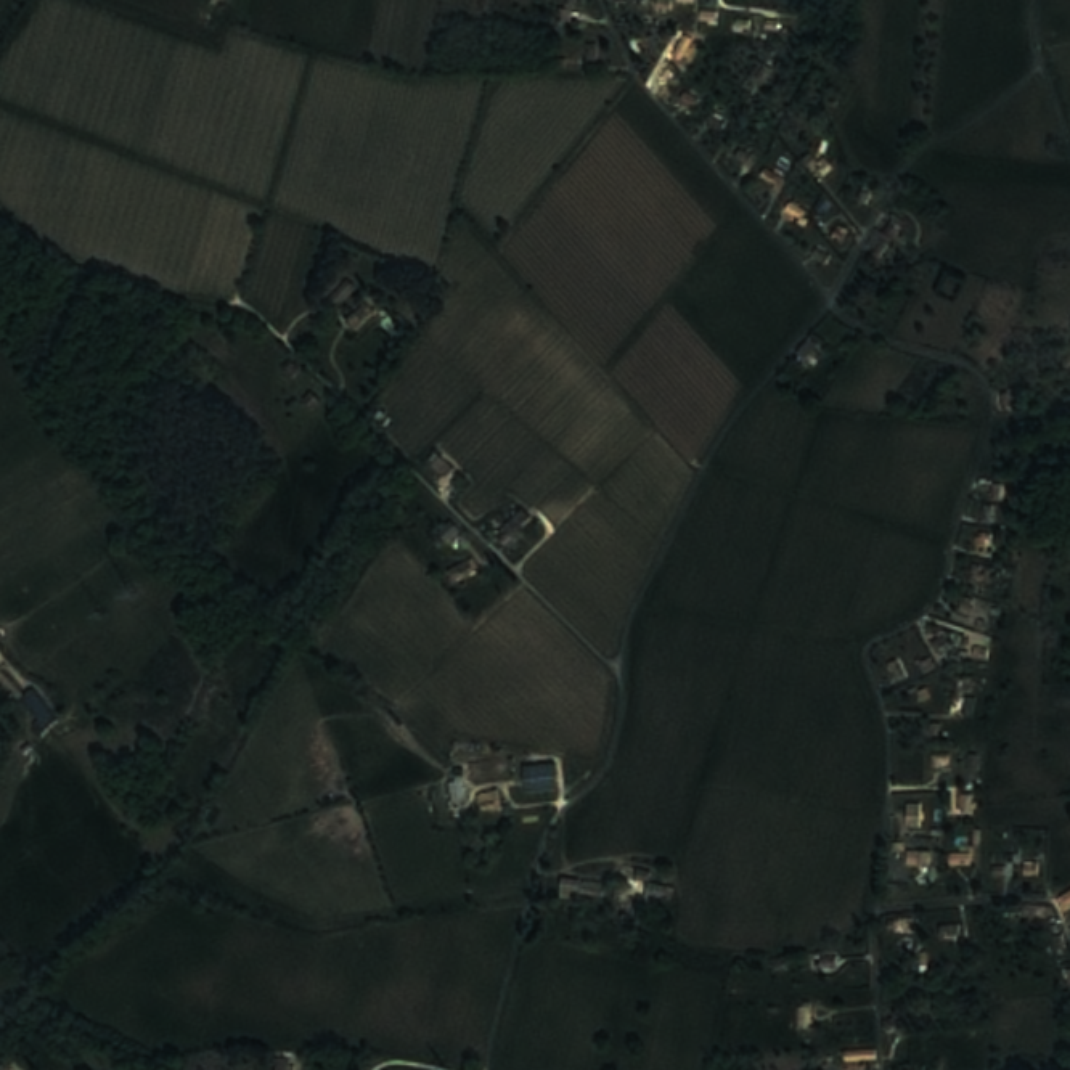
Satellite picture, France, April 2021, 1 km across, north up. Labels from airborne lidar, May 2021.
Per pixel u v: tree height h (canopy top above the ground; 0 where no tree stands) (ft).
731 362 0
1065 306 0
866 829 0
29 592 0
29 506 0
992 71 0
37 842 0
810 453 0
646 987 0
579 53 0
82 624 0
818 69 27
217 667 36
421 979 0
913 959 25
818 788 0
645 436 0
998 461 37
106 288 66
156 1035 0
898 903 0
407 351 47
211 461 90
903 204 33
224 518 87
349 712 0
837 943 62
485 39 43
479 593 0
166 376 49
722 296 0
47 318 30
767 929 0
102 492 29
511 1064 0
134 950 0
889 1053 0
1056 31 0
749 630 0
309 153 0
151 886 58
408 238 0
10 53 0
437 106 0
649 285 0
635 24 31
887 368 0
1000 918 35
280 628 70
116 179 0
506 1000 0
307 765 0
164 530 72
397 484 63
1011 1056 0
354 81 0
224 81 0
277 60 0
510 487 0
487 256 0
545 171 0
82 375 66
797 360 24
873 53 0
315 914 0
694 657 0
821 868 0
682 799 0
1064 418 75
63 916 0
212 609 72
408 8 0
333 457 0
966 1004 50
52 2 0
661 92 0
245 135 0
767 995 0
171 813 31
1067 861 0
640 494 0
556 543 0
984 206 0
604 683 0
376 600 0
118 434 64
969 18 0
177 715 0
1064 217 0
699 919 0
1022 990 0
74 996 0
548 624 0
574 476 0
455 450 0
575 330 0
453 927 0
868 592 0
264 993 0
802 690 0
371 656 0
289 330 0
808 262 0
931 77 24
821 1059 67
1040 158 0
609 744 0
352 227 0
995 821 0
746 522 0
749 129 37
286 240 0
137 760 54
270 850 0
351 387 0
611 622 0
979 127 0
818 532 0
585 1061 0
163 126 0
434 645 0
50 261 75
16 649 0
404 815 0
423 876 0
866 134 0
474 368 0
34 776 0
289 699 0
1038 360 54
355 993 0
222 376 25
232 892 0
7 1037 40
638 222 0
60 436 67
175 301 52
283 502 0
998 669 0
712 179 0
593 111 0
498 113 0
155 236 0
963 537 21
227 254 0
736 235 0
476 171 0
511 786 0
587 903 37
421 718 0
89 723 0
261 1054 37
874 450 0
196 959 0
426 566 0
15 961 34
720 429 0
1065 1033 43
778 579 0
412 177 0
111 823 0
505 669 0
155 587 0
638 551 0
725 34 0
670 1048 0
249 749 0
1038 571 0
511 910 0
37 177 0
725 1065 22
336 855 0
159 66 0
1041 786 0
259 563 0
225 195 0
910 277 35
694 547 0
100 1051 42
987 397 0
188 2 0
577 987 0
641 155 0
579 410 0
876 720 0
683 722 0
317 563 51
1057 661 17
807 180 27
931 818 0
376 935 0
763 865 0
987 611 0
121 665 0
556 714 0
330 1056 71
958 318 0
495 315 0
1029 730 0
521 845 0
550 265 0
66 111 0
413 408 0
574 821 0
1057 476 74
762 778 0
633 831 0
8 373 0
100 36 0
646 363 0
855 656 0
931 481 0
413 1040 0
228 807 0
